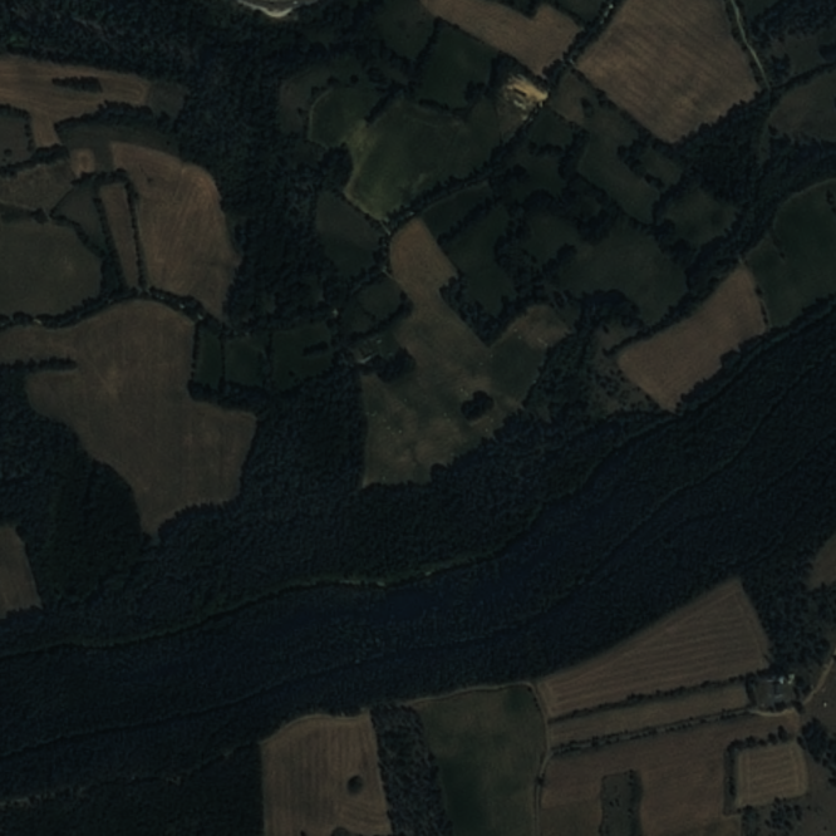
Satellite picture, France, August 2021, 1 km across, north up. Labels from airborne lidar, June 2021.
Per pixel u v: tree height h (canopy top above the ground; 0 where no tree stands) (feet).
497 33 0
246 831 36
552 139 0
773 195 17
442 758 0
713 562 27
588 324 31
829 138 0
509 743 0
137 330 0
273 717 37
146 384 0
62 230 0
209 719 30
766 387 25
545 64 0
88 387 0
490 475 56
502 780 0
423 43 0
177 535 53
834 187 0
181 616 60
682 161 49
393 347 0
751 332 0
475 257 0
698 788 0
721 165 21
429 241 0
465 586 28
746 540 35
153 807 28
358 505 37
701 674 0
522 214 50
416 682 47
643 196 0
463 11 0
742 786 0
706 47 0
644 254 0
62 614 61
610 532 39
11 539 0
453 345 0
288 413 46
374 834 0
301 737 0
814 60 0
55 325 31
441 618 24
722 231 0
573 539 35
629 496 43
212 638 31
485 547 49
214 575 88
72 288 0
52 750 37
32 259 0
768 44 38
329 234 0
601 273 0
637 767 0
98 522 41
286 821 0
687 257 60
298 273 44
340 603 22
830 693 0
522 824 0
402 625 24
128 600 46
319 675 31
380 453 0
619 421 39
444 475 40
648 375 0
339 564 41
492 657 43
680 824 0
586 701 0
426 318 0
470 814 0
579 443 61
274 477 41
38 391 0
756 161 37
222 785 37
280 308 33
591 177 0
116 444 0
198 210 0
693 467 27
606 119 0
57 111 0
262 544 59
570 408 45
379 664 32
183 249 0
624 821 0
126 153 0
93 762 51
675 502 31
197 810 34
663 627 0
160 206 0
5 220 0
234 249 0
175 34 41
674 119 0
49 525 66
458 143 0
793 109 0
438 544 43
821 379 31
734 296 0
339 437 52
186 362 0
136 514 33
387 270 18
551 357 41
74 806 30
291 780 0
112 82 0
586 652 38
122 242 0
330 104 0
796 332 27
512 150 40
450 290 23
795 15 46
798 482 36
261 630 29
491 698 0
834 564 0
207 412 0
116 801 41
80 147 0
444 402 0
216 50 72
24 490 48
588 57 0
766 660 0
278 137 44
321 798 0
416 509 40
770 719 0
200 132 59
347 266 0
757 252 0
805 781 0
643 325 45
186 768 31
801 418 29
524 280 31
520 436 59
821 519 44
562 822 0
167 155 0
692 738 0
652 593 40
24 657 46
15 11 57
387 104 44
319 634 34
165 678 45
